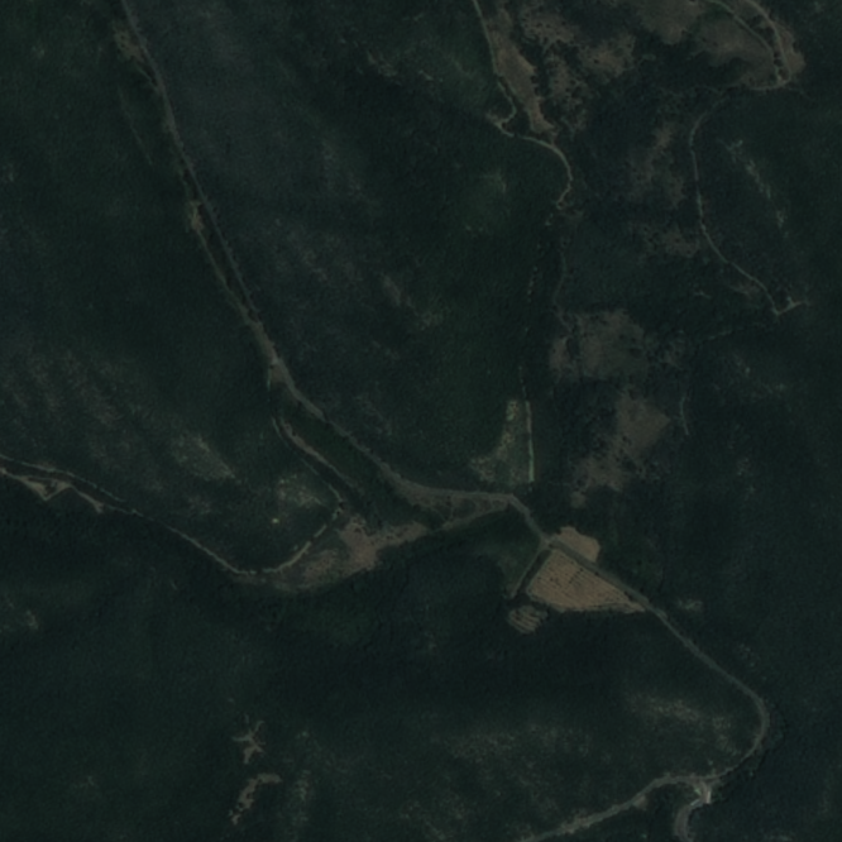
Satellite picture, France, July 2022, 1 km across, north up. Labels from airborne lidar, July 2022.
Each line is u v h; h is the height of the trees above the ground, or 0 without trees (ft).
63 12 20
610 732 22
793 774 19
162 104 0
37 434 18
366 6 25
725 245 25
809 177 19
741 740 18
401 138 28
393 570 26
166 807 26
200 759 25
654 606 26
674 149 19
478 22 22
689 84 18
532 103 0
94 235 23
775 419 23
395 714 17
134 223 21
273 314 19
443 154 32
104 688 18
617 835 19
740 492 24
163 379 19
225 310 24
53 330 18
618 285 22
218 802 30
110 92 26
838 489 18
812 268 19
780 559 20
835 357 20
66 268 23
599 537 18
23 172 26
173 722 21
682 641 25
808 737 20
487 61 24
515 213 41
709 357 22
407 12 23
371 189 23
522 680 47
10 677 27
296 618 27
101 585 29
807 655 23
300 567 0
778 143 23
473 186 17
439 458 21
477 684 32
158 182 18
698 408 30
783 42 0
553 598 0
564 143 25
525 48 31
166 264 30
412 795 20
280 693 32
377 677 36
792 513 18
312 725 22
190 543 20
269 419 28
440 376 23
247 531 17
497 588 27
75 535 37
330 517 22
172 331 23
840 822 21
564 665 32
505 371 46
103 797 20
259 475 18
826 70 19
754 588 22
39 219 25
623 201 35
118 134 21
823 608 19
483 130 27
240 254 24
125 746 18
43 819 18
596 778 17
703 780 0
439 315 23
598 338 0
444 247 37
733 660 26
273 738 21
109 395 20
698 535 34
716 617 20
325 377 20
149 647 21
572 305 26
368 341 17
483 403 24
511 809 20
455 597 22
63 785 19
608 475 0
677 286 26
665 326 26
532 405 22
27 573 22
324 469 26
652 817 27
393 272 22
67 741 20
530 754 18
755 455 19
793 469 21
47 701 23
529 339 35
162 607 21
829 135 17
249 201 19
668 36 0
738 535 20
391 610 23
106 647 20
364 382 20
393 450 26
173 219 22
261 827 31
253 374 31
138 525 39
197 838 23
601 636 33
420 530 0
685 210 25
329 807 27
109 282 24
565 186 29
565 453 33
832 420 24
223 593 67
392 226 21
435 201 35
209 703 18
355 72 41
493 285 29
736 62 20
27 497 34
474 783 25
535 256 38
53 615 23
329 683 47
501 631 33
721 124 19
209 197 24
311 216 19
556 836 22
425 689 24
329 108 23
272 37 19
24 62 22
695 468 19
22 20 20
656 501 26
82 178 26
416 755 20
